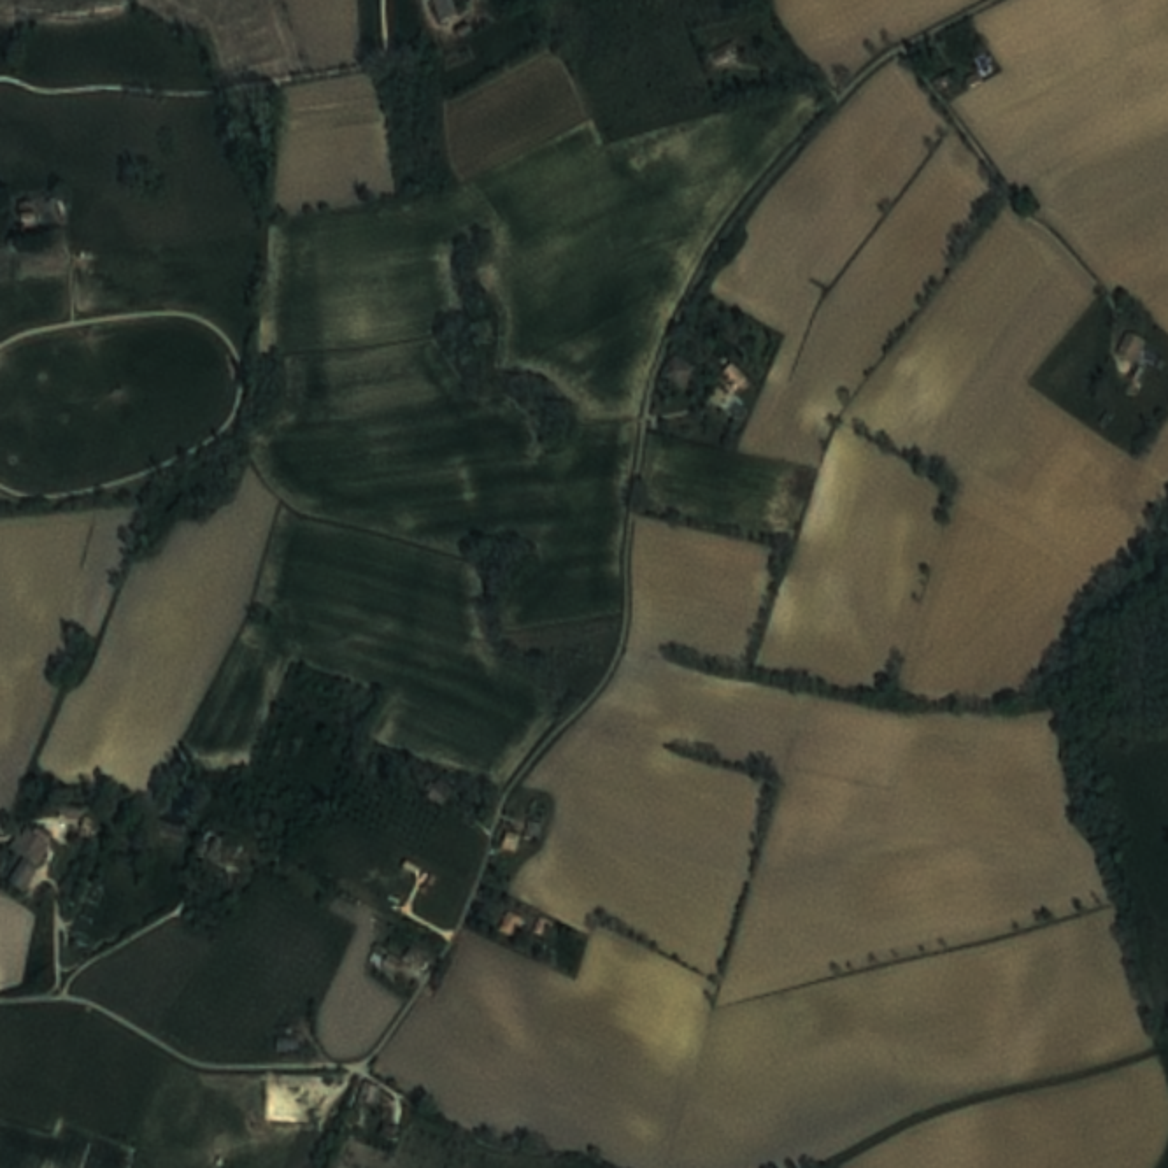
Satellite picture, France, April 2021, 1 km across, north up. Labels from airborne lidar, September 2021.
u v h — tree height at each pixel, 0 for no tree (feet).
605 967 0
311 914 0
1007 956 0
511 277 0
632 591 0
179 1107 0
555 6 33
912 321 21
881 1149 0
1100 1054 0
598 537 0
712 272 31
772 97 61
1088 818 39
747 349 43
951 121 44
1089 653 92
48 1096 0
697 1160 0
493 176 0
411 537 0
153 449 0
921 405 0
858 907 0
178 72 0
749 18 49
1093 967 0
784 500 0
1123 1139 0
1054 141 0
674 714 0
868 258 0
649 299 0
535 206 0
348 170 0
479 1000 0
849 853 0
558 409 46
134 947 0
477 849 0
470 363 58
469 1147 32
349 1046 0
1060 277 0
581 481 0
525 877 0
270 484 0
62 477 0
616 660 0
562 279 0
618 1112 0
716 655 0
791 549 60
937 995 0
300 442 0
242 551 0
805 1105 0
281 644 0
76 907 26
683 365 0
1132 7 0
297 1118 0
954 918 0
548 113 0
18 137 0
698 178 0
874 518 0
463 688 0
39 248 44
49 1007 0
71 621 0
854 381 0
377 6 0
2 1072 0
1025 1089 0
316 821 22
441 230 0
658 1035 0
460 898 0
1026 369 0
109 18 0
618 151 0
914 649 0
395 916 0
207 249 0
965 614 0
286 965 0
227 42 0
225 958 0
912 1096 0
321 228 0
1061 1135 0
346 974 0
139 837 56
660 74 22
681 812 0
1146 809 0
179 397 0
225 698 0
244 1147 0
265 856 20
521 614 0
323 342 0
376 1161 0
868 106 0
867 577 0
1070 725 49
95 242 0
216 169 0
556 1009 0
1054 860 0
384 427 0
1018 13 0
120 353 0
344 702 24
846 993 0
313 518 0
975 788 0
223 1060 0
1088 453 0
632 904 0
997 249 0
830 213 0
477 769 0
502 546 47
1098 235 0
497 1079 0
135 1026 0
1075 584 0
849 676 0
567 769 0
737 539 36
